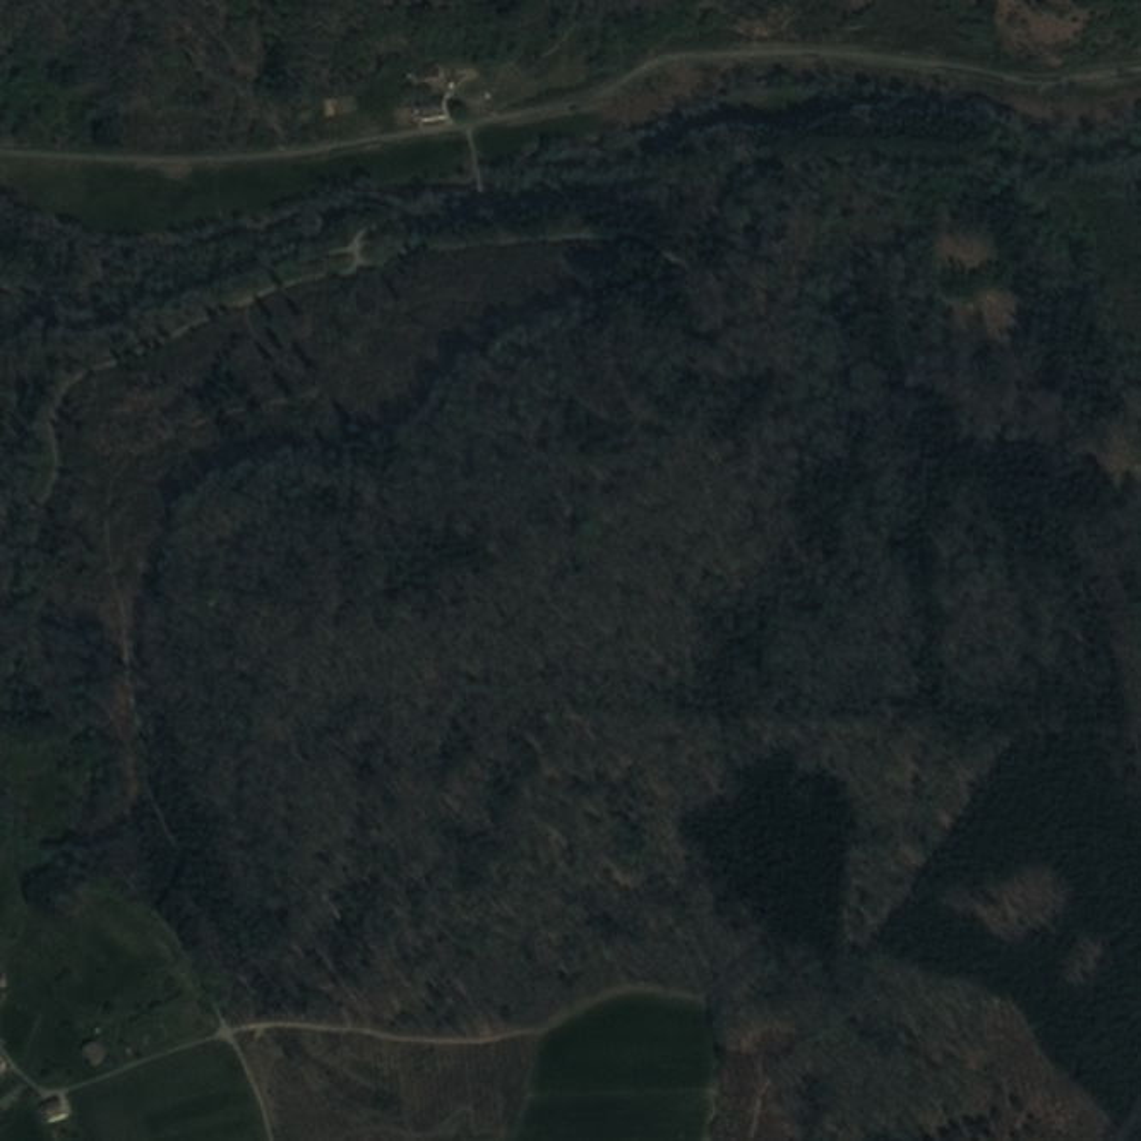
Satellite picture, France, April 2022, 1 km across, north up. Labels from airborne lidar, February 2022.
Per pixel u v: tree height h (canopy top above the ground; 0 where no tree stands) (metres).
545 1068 0
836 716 25
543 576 23
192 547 27
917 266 28
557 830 26
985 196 22
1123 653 27
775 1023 27
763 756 22
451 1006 24
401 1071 0
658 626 25
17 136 15
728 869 24
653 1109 0
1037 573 23
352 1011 26
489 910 25
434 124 0
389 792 22
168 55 34
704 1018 0
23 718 25
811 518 24
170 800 30
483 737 25
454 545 24
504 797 25
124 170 0
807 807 21
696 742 22
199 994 0
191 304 28
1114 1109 15
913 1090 27
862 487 20
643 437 28
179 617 28
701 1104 0
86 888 25
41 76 27
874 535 24
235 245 0
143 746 0
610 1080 0
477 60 12
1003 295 0
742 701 22
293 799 24
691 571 24
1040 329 29
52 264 15
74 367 11
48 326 35
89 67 37
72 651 33
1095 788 24
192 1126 0
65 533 8
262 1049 0
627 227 30
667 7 32
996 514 26
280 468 27
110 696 36
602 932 26
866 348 36
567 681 22
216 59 31
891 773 26
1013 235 24
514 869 24
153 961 0
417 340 0
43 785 0
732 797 24
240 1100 0
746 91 22
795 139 37
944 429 27
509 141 0
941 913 18
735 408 26
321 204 20
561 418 27
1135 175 28
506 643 27
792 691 24
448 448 26
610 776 23
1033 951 19
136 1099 0
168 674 26
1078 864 22
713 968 23
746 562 27
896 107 25
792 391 27
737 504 25
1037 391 17
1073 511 28
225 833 27
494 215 21
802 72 0
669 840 27
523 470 26
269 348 0
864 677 24
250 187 0
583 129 0
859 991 25
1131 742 11
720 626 21
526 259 0
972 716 30
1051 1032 17
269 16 18
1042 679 24
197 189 0
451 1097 0
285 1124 0
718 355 27
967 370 34
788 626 23
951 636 25
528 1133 0
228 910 31
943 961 20
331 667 28
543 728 24
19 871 9
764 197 34
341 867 27
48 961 0
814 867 22
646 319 27
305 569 24
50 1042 0
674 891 22
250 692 26
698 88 0
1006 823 20
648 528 25
